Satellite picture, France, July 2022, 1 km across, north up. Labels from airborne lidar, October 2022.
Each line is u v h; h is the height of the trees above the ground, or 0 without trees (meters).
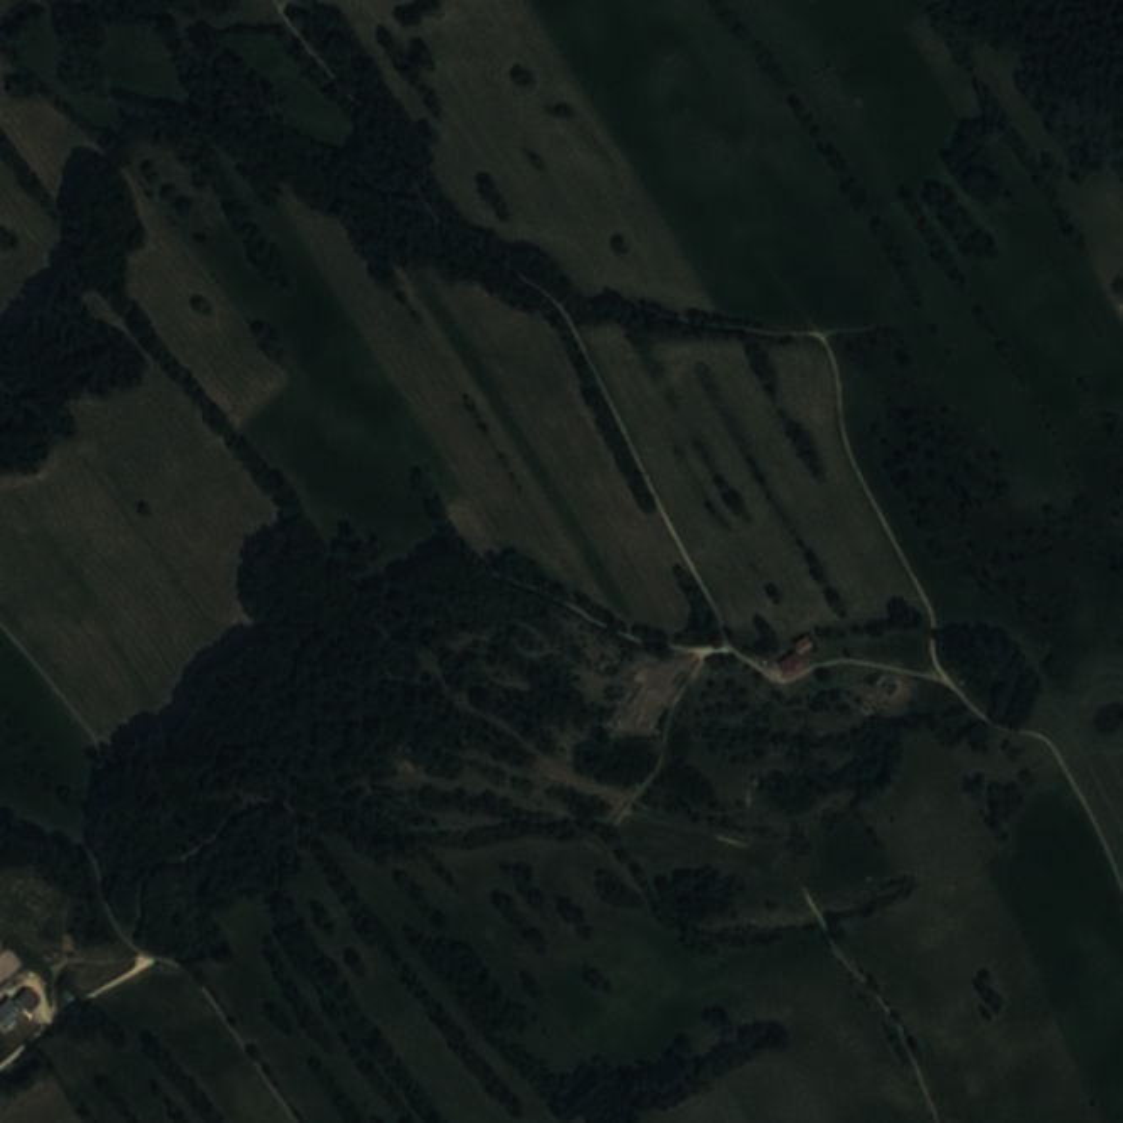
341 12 14
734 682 8
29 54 0
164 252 0
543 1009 0
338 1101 10
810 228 0
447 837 7
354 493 0
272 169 10
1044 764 0
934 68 0
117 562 0
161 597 0
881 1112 0
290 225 0
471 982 8
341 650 18
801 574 0
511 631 10
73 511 0
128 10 17
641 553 0
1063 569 0
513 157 0
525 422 0
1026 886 0
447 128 0
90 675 0
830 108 0
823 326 0
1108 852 0
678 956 0
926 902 0
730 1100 0
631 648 8
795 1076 0
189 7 14
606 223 0
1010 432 0
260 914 0
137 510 0
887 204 0
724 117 0
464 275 10
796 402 0
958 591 0
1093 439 0
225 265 0
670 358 0
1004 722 12
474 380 0
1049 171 8
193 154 10
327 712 14
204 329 0
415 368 0
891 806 0
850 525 0
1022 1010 0
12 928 0
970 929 0
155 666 0
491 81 0
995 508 0
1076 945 0
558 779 0
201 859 12
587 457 0
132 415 0
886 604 0
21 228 0
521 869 8
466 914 0
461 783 0
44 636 0
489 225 0
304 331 0
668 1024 0
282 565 19
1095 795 0
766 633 15
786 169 0
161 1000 0
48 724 0
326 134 0
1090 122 15
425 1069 0
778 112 0
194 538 0
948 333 0
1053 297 0
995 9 8
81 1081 0
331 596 20
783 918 0
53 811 0
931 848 0
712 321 9
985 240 8
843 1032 0
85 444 0
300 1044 0
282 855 18
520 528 0
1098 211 0
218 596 0
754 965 0
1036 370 0
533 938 15
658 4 0
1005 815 10
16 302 0
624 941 0
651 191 0
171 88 0
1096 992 0
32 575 0
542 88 0
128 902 15
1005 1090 0
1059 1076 0
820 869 0
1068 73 7
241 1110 0
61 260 23
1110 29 24
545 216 0
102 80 17
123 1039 15
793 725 0
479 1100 0
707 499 0
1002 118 16
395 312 0
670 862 0
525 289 14
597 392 18
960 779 0
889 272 0
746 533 0
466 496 0
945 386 0
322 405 0
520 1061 7
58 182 0
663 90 0
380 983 0
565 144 0
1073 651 0
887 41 0
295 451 0
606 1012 0
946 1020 0
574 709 7
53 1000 0
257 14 0
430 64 18
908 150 0
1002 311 0
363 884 0
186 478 0
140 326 23
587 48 0
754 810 0
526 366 0
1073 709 0
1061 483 0
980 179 26
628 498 0
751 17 0
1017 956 0
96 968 0
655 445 0
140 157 0
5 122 0
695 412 0
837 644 0
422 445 0
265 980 0
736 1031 15
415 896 15
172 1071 18
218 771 11
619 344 0
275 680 7
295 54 20
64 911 0
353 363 0
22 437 21
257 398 0
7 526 0
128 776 20
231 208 17
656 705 0
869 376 0
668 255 0
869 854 0
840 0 0
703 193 0
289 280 22
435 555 19
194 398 13
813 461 17
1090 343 0
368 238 18
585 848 0
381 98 27
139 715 0
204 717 24
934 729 11
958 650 20
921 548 0
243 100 22
